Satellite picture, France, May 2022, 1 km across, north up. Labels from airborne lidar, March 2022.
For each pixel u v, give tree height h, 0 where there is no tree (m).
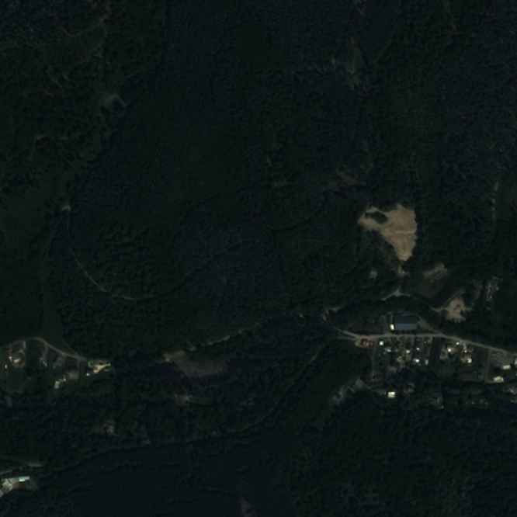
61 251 20
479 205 30
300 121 29
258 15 25
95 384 6
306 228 24
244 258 25
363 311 22
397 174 13
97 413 23
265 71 6
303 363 10
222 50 13
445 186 28
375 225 0
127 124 18
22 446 14
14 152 11
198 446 17
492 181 27
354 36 31
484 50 30
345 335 0
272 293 28
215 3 9
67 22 26
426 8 22
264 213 27
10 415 34
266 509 20
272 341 30
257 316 25
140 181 16
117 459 21
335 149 24
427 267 15
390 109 16
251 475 19
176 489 21
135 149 19
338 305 17
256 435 20
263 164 18
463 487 9
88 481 21
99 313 19
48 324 0
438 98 22
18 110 11
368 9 29
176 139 13
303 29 33
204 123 13
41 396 24
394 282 8
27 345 0
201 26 15
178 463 18
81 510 19
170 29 22
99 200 24
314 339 23
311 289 21
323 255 8
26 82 14
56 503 29
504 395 13
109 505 19
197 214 19
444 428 25
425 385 19
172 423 9
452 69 27
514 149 31
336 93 27
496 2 25
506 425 31
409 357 0
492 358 0
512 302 0
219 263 29
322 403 9
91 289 9
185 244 29
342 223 16
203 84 9
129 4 8
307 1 26
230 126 14
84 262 13
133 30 13
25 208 0
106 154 15
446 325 18
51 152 13
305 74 24
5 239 29
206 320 26
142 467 19
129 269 18
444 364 12
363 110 24
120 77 14
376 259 21
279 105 27
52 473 13
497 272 19
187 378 35
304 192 23
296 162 28
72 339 10
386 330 0
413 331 12
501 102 34
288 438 17
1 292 14
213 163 14
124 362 22
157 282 22
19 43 20
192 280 24
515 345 22
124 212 13
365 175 26
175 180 13
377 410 18
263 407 21
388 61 20
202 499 21
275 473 18
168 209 14
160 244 21
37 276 24
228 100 22
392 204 15
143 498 20
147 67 13
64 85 27
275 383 22
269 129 22
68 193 16
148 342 20
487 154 31
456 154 33
